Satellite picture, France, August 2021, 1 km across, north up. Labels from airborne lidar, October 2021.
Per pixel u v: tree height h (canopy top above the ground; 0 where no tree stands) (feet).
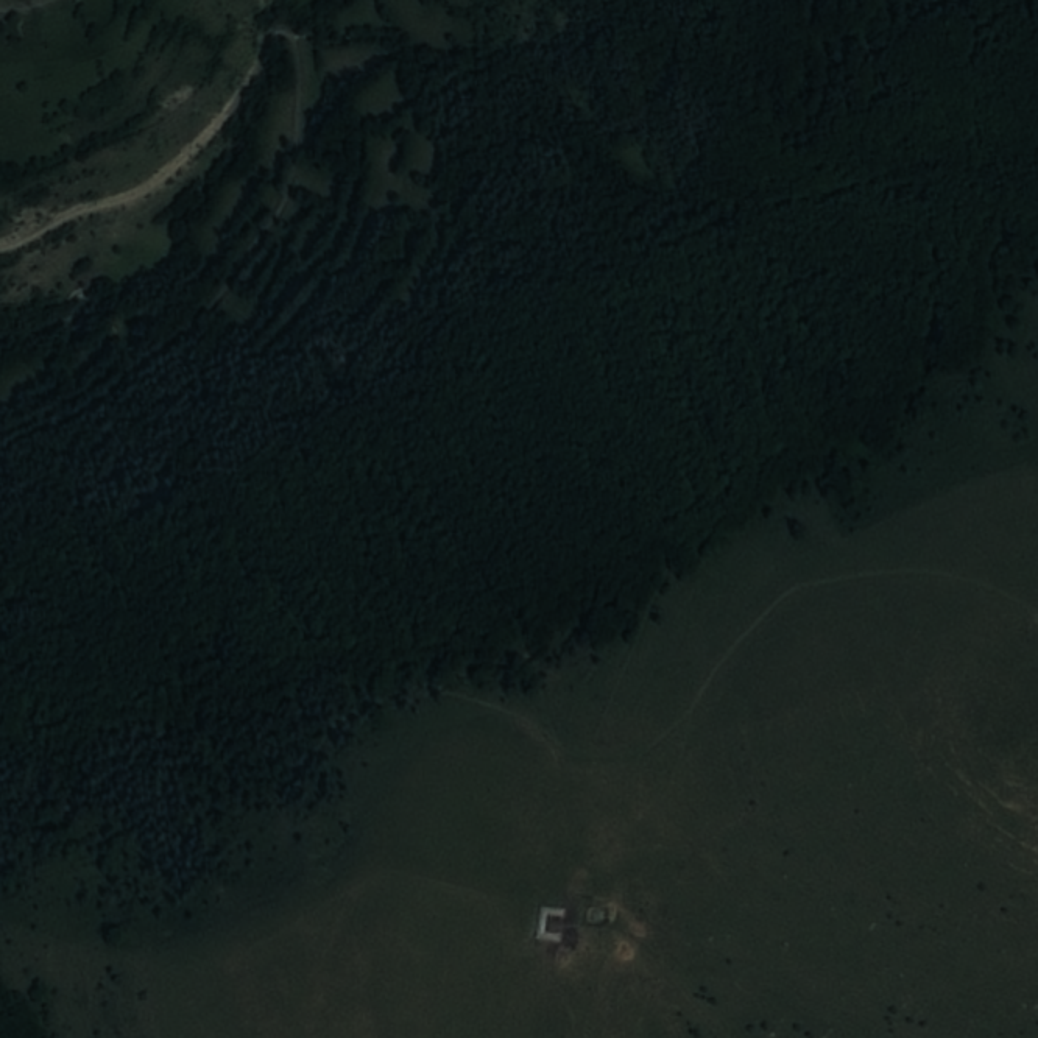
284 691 75
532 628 77
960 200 78
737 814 0
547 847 0
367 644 58
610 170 64
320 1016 0
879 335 78
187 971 0
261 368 58
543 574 86
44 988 28
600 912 0
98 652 92
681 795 0
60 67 0
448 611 88
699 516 70
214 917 0
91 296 52
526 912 0
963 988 0
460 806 0
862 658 0
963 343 81
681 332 93
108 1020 0
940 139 68
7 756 42
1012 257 49
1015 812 0
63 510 75
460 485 91
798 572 0
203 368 59
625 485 98
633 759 0
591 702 0
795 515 0
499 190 69
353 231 50
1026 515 0
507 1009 0
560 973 0
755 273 68
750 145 68
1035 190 73
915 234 84
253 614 106
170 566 84
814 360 73
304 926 0
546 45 22
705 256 69
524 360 80
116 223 0
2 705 94
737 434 91
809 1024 0
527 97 58
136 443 64
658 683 0
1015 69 72
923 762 0
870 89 23
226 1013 0
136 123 36
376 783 0
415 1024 0
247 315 0
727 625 0
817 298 87
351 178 52
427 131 43
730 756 0
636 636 21
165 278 78
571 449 98
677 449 84
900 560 0
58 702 81
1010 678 0
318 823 0
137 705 90
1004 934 0
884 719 0
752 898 0
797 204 80
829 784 0
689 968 0
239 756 61
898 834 0
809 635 0
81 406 66
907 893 0
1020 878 0
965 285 87
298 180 0
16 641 92
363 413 73
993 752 0
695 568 45
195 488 72
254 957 0
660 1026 0
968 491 0
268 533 76
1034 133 71
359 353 47
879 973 0
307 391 60
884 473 0
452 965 0
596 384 90
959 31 73
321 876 0
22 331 60
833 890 0
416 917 0
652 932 0
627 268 74
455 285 72
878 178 96
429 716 0
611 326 88
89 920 0
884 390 74
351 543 87
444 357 67
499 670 30
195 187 41
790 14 91
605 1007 0
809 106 63
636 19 80
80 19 36
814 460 54
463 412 81
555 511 87
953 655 0
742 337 86
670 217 51
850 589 0
